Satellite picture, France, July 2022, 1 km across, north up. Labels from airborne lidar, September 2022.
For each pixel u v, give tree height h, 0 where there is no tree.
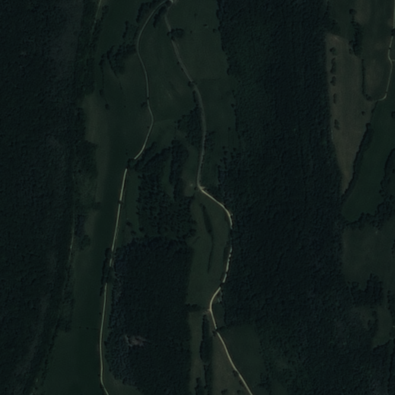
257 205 12
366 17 0
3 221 20
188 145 0
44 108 20
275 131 8
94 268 0
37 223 16
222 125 0
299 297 20
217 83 0
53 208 12
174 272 13
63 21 10
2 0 16
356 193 0
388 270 0
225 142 0
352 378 16
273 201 17
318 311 15
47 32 14
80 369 0
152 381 11
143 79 0
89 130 0
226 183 16
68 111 12
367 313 0
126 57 16
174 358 14
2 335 20
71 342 0
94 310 0
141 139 0
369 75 0
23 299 19
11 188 20
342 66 0
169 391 12
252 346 0
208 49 0
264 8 14
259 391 0
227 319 15
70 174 17
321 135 13
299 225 17
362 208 0
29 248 26
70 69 10
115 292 18
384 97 0
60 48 8
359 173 15
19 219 20
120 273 13
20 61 18
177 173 16
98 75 0
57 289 20
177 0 0
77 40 6
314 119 14
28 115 21
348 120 0
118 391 0
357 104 0
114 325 11
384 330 0
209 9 0
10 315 17
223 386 0
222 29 9
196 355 0
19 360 13
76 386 0
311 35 12
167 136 0
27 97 21
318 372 15
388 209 15
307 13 12
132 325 18
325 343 17
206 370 11
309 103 11
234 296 7
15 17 19
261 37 6
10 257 18
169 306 13
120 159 0
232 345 0
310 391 10
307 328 8
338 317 9
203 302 0
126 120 0
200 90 0
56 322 18
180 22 0
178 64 9
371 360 13
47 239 13
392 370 15
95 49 17
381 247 0
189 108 0
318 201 12
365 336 9
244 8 16
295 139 16
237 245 18
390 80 0
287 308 19
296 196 17
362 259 0
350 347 11
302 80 6
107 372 0
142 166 15
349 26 0
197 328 0
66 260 17
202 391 15
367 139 19
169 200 16
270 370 8
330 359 17
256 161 12
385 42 0
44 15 17
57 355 0
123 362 17
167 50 0
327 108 10
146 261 21
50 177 12
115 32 0
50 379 0
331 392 16
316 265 12
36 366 20
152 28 0
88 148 11
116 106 0
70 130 14
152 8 13
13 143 17
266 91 7
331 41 0
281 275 22
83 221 18
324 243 20
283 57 15
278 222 19
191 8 0
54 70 12
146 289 20
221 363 0
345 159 0
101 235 0
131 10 0
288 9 13
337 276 14
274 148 15
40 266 20
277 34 14
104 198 0
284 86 18
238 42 7
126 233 0
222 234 0
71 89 13
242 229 17
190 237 15
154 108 0
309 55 13
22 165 20
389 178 7
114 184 0
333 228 16
